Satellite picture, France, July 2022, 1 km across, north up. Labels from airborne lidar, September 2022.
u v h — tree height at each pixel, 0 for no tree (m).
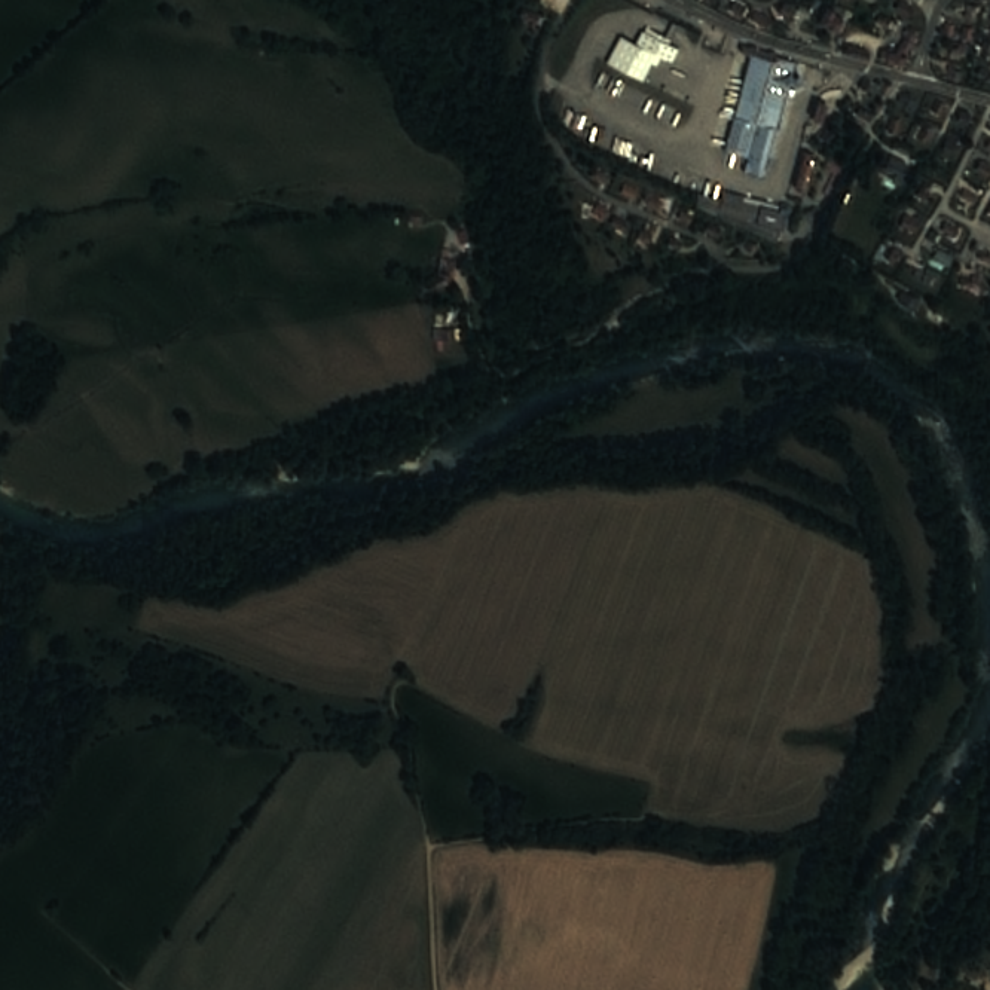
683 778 0
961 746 0
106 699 6
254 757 0
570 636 0
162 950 0
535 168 12
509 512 0
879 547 22
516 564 0
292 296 0
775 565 0
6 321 0
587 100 0
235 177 0
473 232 11
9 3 0
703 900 0
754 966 0
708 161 0
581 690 0
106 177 0
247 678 0
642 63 0
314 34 0
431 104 19
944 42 10
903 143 8
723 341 0
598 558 0
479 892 0
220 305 0
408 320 0
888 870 0
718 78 0
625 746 0
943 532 19
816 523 20
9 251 7
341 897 0
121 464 0
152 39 0
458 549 0
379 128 0
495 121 10
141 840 0
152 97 0
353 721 9
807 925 33
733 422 20
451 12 9
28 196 0
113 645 7
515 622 0
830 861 22
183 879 0
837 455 18
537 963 0
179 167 0
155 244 0
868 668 0
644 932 0
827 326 17
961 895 19
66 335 0
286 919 0
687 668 0
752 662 0
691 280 15
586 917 0
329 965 0
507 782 0
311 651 0
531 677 0
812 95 0
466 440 0
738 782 0
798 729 0
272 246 0
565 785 0
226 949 0
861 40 0
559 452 20
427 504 21
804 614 0
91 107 0
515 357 20
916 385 20
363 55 13
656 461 26
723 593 0
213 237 0
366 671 0
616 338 17
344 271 0
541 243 10
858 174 13
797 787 0
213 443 0
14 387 20
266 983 0
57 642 12
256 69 0
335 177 0
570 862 0
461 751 0
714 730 0
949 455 0
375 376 0
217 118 0
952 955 13
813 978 21
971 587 18
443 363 0
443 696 0
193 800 0
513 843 18
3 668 21
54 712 21
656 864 0
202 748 0
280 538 21
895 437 15
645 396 0
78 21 8
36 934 0
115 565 23
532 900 0
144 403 0
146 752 0
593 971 0
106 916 0
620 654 0
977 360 20
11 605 21
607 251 0
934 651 18
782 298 12
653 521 0
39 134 0
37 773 25
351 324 0
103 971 0
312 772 0
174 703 8
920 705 26
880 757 30
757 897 0
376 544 0
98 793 0
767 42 0
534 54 9
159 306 0
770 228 0
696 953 0
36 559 27
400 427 26
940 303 7
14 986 0
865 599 0
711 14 0
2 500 0
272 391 0
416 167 0
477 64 11
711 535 0
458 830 0
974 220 0
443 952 0
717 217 10
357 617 0
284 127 0
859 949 0
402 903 0
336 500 17
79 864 0
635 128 0
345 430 22
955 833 6
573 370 18
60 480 0
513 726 9
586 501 0
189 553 19
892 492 0
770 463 17
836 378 24
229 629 0
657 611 0
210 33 0
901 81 0
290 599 0
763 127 0
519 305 10
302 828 0
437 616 0
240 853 0
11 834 18
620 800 0
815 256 18
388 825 0
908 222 0
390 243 0
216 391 0
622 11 0
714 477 15
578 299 16
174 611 0
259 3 0
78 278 0
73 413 0
